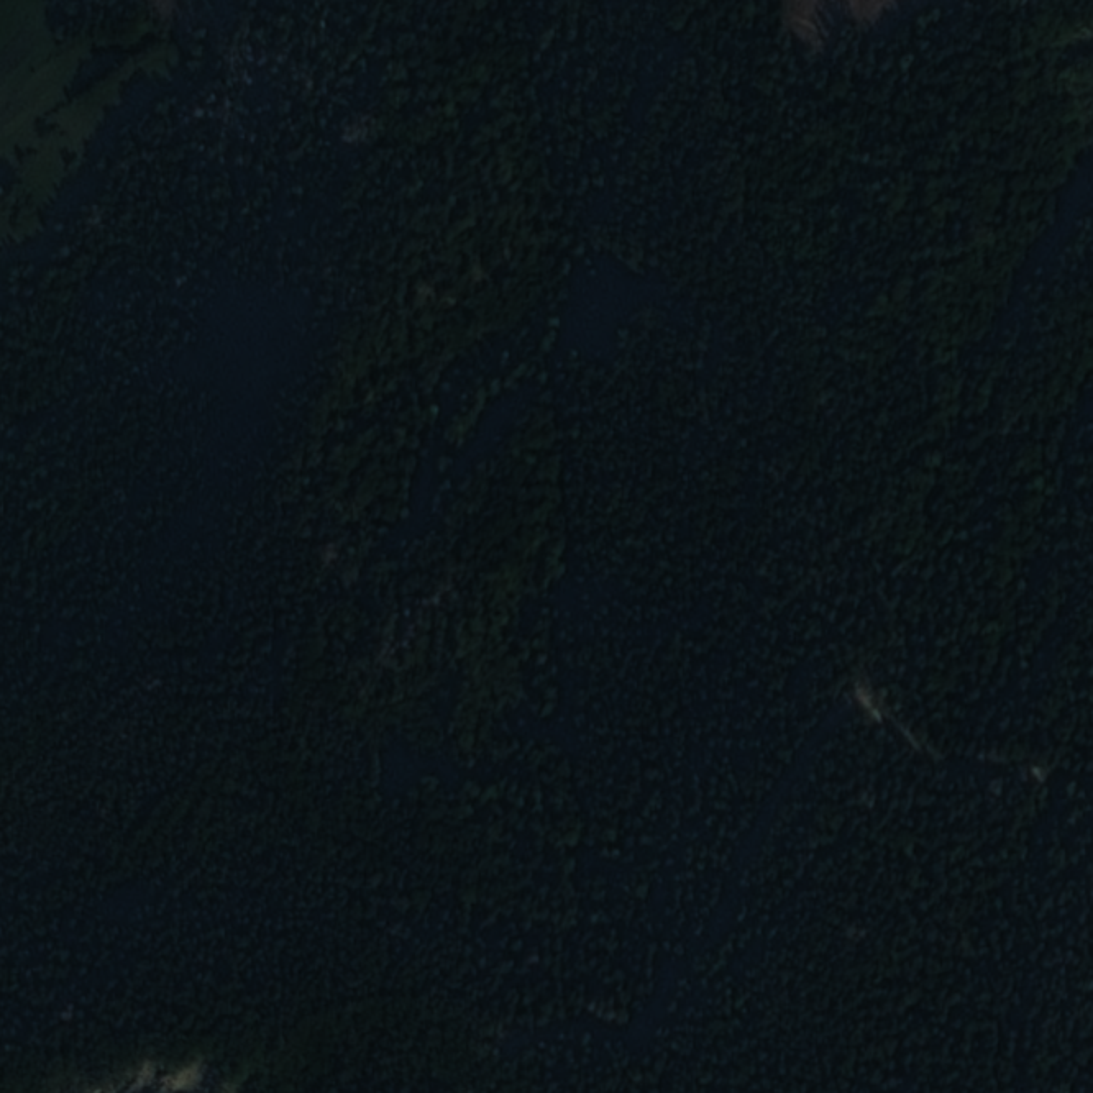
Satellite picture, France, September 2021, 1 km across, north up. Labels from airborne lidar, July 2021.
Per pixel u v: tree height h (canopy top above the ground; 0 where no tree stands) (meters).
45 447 26
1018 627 29
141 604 25
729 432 30
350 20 29
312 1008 21
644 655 36
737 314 34
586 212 11
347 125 32
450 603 11
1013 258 31
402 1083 24
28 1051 23
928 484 28
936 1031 18
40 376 30
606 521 26
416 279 17
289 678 28
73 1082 8
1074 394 33
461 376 7
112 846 33
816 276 14
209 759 31
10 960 29
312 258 28
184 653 31
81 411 29
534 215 23
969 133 32
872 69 23
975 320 31
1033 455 31
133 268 32
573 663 33
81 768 22
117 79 18
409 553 33
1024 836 18
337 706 28
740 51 15
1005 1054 21
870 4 25
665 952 33
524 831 30
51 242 0
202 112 29
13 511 31
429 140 27
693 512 33
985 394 32
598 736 43
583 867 10
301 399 29
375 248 32
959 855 22
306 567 24
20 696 30
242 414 23
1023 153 31
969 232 24
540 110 25
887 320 20
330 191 28
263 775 30
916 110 23
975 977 14
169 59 0
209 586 31
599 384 28
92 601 31
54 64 0
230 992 26
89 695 28
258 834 18
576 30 32
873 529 24
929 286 27
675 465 27
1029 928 10
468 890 27
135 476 29
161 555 29
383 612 28
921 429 28
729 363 34
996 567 33
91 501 30
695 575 25
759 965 24
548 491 29
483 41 17
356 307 24
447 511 32
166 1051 18
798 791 19
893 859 24
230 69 24
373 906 23
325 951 23
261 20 31
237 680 28
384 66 27
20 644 30
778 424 32
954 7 7
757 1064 20
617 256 32
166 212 27
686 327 34
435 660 6
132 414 31
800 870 23
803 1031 19
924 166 29
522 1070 17
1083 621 31
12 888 41
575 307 10
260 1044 16
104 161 14
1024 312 28
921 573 24
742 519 16
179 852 22
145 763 26
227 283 31
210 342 27
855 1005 23
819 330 30
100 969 21
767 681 29
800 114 21
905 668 10
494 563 18
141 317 33
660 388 30
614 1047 22
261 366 25
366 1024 26
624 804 36
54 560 28
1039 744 27
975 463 18
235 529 30
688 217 32
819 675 20
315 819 22
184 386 30
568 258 10
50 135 12
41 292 30
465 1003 28
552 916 33
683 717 31
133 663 34
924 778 28
